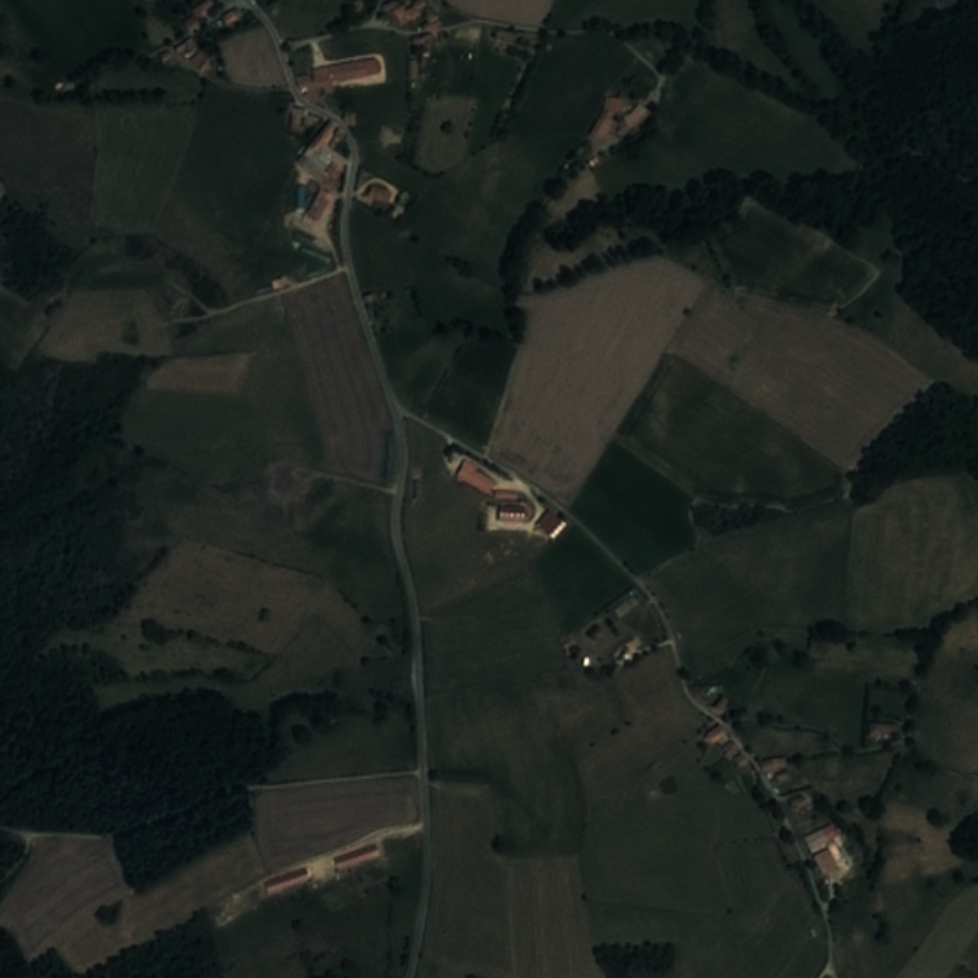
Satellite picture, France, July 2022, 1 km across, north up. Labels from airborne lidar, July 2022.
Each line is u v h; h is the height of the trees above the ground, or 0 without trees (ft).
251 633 0
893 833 0
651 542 0
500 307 0
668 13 0
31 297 31
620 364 0
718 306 0
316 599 0
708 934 0
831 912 29
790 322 0
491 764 0
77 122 0
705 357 0
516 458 0
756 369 0
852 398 0
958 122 36
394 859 0
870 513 0
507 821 0
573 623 0
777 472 0
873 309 0
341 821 0
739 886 0
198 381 0
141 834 72
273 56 0
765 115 0
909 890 0
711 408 0
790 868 26
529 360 0
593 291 0
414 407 0
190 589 0
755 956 0
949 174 28
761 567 0
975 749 0
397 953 0
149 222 0
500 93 0
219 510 0
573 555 0
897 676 0
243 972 0
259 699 0
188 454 0
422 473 0
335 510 0
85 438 33
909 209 62
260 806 0
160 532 0
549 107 0
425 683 0
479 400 0
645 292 0
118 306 0
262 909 0
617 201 29
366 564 0
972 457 32
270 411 0
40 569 26
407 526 0
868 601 0
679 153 0
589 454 0
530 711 0
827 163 0
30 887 0
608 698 0
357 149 0
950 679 0
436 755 0
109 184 0
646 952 32
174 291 0
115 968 32
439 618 0
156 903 0
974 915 0
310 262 0
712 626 0
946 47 49
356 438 0
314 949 0
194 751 38
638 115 0
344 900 0
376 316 19
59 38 0
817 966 0
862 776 0
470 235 0
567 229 27
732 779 0
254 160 0
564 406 0
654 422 0
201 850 65
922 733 0
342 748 0
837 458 0
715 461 0
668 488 0
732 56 63
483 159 0
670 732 0
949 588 0
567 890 0
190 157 0
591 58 0
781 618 0
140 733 40
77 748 115
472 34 0
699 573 0
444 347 0
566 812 0
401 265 0
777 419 0
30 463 22
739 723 32
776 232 0
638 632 0
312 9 0
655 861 0
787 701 0
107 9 0
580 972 0
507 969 0
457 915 0
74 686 19
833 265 0
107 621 22
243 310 0
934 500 0
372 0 30
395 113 0
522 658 0
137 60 40
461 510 0
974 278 113
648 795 0
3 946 98
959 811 0
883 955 0
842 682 0
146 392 0
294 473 0
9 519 47
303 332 0
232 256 0
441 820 0
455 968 0
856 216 78
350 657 0
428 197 0
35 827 30
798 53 0
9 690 40
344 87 0
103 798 67
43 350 0
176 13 38
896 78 31
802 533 0
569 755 0
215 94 0
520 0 0
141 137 0
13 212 21
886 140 81
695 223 86
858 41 0
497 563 0
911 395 0
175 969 39
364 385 0
